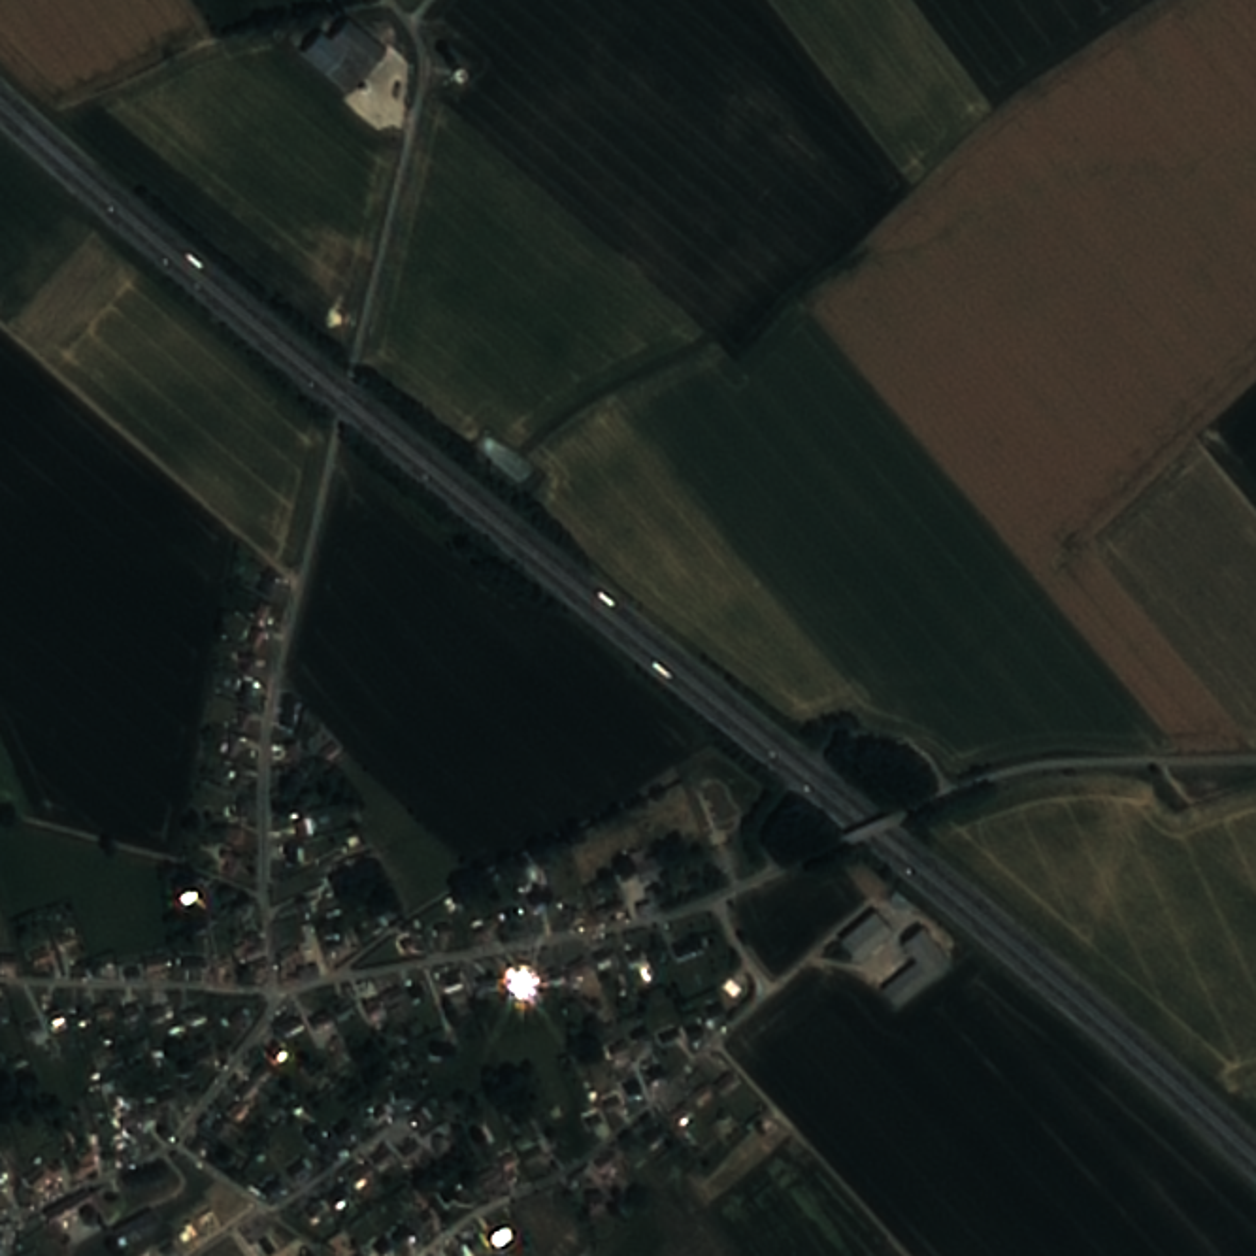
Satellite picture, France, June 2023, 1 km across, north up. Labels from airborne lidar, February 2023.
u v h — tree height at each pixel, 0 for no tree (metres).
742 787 0
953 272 0
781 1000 0
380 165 0
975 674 0
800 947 0
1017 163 0
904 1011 0
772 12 0
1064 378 0
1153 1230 0
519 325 0
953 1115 0
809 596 0
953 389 0
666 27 0
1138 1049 0
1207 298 0
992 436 0
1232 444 0
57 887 0
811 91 0
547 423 0
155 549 0
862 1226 0
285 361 0
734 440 0
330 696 0
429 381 0
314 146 0
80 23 0
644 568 0
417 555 0
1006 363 0
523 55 0
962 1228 0
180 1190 0
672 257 0
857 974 0
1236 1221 0
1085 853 0
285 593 0
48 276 0
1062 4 0
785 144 0
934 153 0
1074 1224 0
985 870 0
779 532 0
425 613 0
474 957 0
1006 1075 0
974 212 0
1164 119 0
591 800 0
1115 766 0
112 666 0
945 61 0
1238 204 0
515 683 0
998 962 0
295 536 0
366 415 0
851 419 0
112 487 0
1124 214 0
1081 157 0
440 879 0
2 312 0
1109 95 0
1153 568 0
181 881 15
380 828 0
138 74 0
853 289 0
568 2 0
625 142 0
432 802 0
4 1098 15
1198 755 0
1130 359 0
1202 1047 0
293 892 0
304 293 0
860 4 0
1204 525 0
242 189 0
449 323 0
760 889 0
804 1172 0
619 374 0
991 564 0
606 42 0
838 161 0
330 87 0
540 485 0
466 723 0
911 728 0
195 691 0
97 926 0
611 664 0
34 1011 0
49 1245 0
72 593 0
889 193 0
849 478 0
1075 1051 0
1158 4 0
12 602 0
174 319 0
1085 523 0
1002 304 0
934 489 0
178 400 0
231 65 0
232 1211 0
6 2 0
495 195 0
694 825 0
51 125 0
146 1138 0
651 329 0
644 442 0
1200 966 0
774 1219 0
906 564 0
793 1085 0
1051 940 0
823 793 0
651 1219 0
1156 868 0
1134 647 0
